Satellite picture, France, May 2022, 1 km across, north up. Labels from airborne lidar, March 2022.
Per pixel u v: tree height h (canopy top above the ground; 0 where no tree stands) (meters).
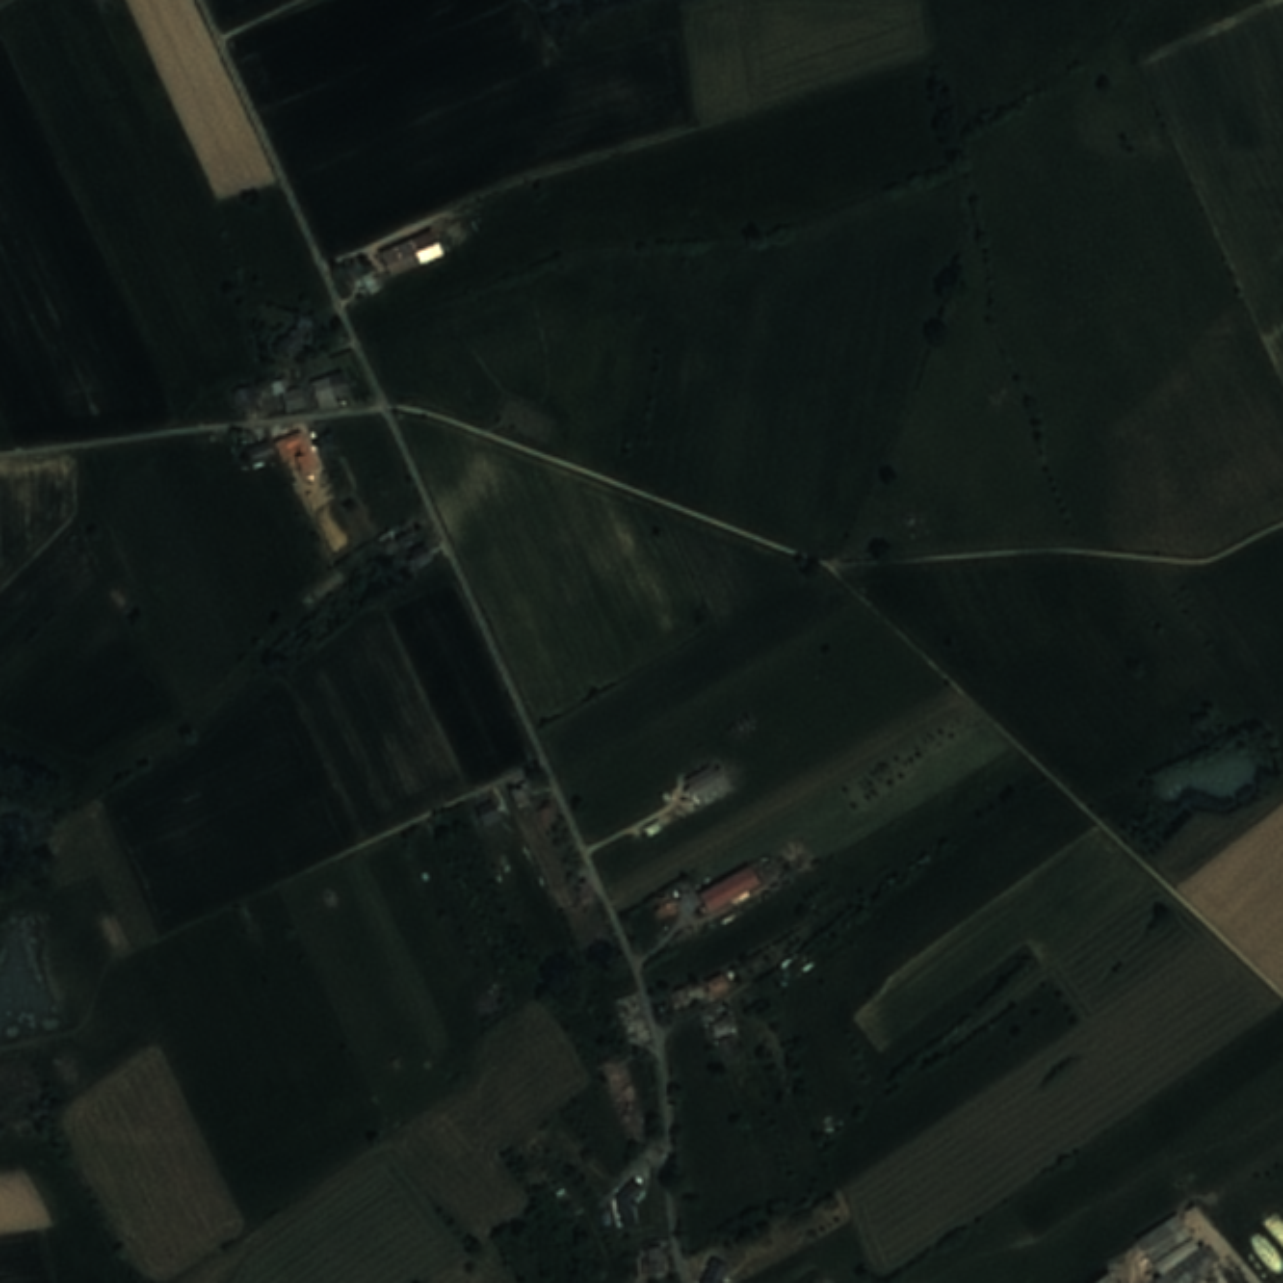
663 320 0
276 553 0
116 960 0
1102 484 0
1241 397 0
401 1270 0
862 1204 0
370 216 0
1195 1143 0
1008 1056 0
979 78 0
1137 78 0
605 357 0
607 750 0
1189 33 0
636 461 0
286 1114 0
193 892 0
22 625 0
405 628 0
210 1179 0
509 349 0
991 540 0
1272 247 0
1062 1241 0
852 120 0
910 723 0
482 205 0
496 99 0
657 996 9
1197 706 0
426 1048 0
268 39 0
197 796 0
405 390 0
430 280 0
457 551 0
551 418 0
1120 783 0
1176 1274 0
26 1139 0
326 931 0
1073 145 0
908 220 0
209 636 0
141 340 0
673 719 0
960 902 0
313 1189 0
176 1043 0
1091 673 0
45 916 0
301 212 0
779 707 0
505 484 0
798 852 0
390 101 0
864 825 0
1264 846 0
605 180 0
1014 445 0
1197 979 0
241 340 0
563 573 0
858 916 6
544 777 12
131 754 0
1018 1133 0
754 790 0
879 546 11
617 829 0
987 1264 0
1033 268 0
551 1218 7
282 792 0
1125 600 0
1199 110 0
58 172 0
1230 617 0
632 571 0
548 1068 0
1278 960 0
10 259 0
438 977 0
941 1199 0
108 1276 0
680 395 0
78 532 0
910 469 0
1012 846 0
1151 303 0
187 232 0
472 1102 0
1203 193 0
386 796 0
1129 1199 0
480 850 0
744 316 0
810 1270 0
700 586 0
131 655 0
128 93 0
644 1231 0
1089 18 0
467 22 0
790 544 0
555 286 0
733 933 0
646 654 0
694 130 0
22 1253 0
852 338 0
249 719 0
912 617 0
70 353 0
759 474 0
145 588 0
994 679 0
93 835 0
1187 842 0
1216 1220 0
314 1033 0
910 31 0
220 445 0
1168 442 0
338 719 0
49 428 0
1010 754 0
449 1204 0
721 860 0
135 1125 0
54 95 0
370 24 0
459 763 0
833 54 0
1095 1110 0
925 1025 0
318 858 0
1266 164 0
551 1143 0
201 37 0
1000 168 0
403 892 0
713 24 0
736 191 0
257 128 0
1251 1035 0
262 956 0
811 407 0
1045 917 0
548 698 0
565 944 0
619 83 0
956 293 20
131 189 0
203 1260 0
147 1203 0
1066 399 0
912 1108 0
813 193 0
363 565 0
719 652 0
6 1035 0
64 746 0
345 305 0
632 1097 0
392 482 0
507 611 0
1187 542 0
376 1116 0
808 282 0
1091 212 0
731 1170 0
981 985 0
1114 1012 0
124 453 0
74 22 0
